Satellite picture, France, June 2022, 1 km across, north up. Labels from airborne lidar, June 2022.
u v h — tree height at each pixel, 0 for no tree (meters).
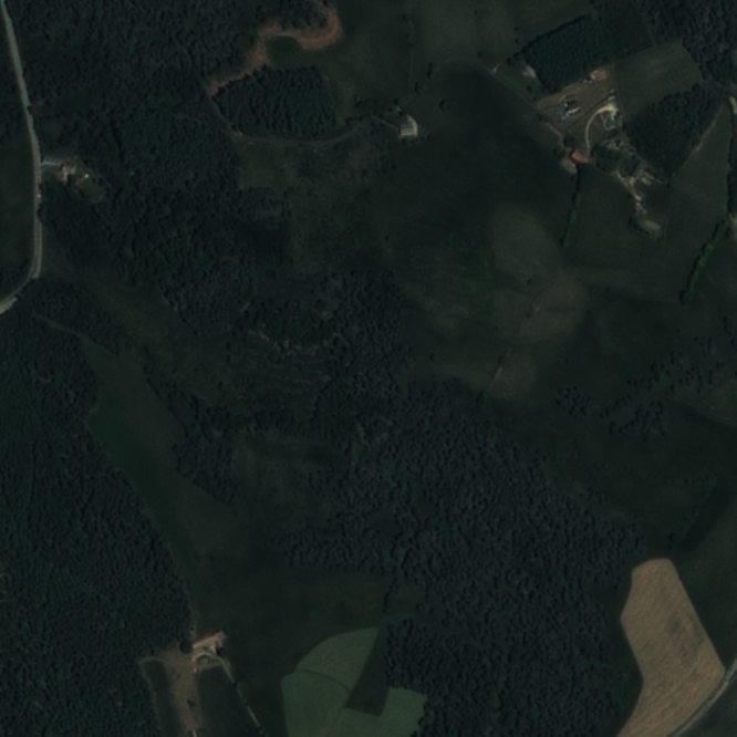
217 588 0
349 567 10
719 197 0
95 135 24
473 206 0
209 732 0
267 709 0
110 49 19
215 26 16
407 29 0
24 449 16
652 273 0
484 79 0
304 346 11
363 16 0
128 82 12
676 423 0
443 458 16
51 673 19
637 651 0
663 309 0
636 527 12
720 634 0
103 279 0
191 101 15
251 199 17
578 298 0
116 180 10
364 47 0
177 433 0
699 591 0
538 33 0
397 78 0
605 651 19
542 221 0
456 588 13
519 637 17
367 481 14
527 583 10
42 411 11
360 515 13
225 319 22
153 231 18
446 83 0
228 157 16
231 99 27
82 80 15
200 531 0
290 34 0
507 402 0
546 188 0
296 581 0
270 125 15
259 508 0
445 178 0
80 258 10
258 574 0
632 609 0
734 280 0
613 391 0
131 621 15
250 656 0
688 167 0
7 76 12
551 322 0
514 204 0
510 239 0
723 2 17
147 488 0
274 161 0
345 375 15
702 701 0
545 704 15
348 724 0
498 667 19
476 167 0
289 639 0
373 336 18
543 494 17
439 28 0
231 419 20
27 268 13
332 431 19
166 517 0
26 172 0
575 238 0
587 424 0
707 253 11
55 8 16
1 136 7
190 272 16
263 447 0
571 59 31
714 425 0
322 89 21
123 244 13
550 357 0
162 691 0
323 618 0
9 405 11
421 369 0
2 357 10
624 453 0
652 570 0
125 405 0
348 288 17
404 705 0
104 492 24
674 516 0
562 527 20
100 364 0
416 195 0
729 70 19
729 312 0
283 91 20
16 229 0
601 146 11
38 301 18
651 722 0
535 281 9
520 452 14
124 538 13
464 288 0
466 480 18
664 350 0
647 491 0
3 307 0
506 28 0
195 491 0
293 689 0
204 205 13
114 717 17
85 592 11
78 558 16
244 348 0
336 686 0
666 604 0
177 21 19
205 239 17
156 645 12
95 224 9
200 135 21
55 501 11
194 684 0
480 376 0
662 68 0
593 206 0
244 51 13
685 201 0
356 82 0
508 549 14
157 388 13
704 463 0
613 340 0
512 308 0
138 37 16
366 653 0
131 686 19
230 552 0
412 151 0
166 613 17
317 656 0
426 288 0
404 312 21
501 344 0
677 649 0
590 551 13
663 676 0
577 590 17
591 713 13
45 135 15
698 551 0
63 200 10
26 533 13
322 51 0
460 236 0
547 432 0
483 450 18
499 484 15
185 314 17
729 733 0
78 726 21
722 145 0
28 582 13
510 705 17
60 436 14
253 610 0
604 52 30
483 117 0
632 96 0
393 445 9
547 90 8
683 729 0
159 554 22
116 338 17
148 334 0
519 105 0
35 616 12
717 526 0
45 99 19
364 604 0
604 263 0
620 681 6
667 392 0
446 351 0
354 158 0
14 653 7
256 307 13
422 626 11
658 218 0
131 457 0
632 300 0
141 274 15
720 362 7
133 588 12
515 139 0
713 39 18
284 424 22
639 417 8
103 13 16
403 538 16
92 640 20
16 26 10
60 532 20
